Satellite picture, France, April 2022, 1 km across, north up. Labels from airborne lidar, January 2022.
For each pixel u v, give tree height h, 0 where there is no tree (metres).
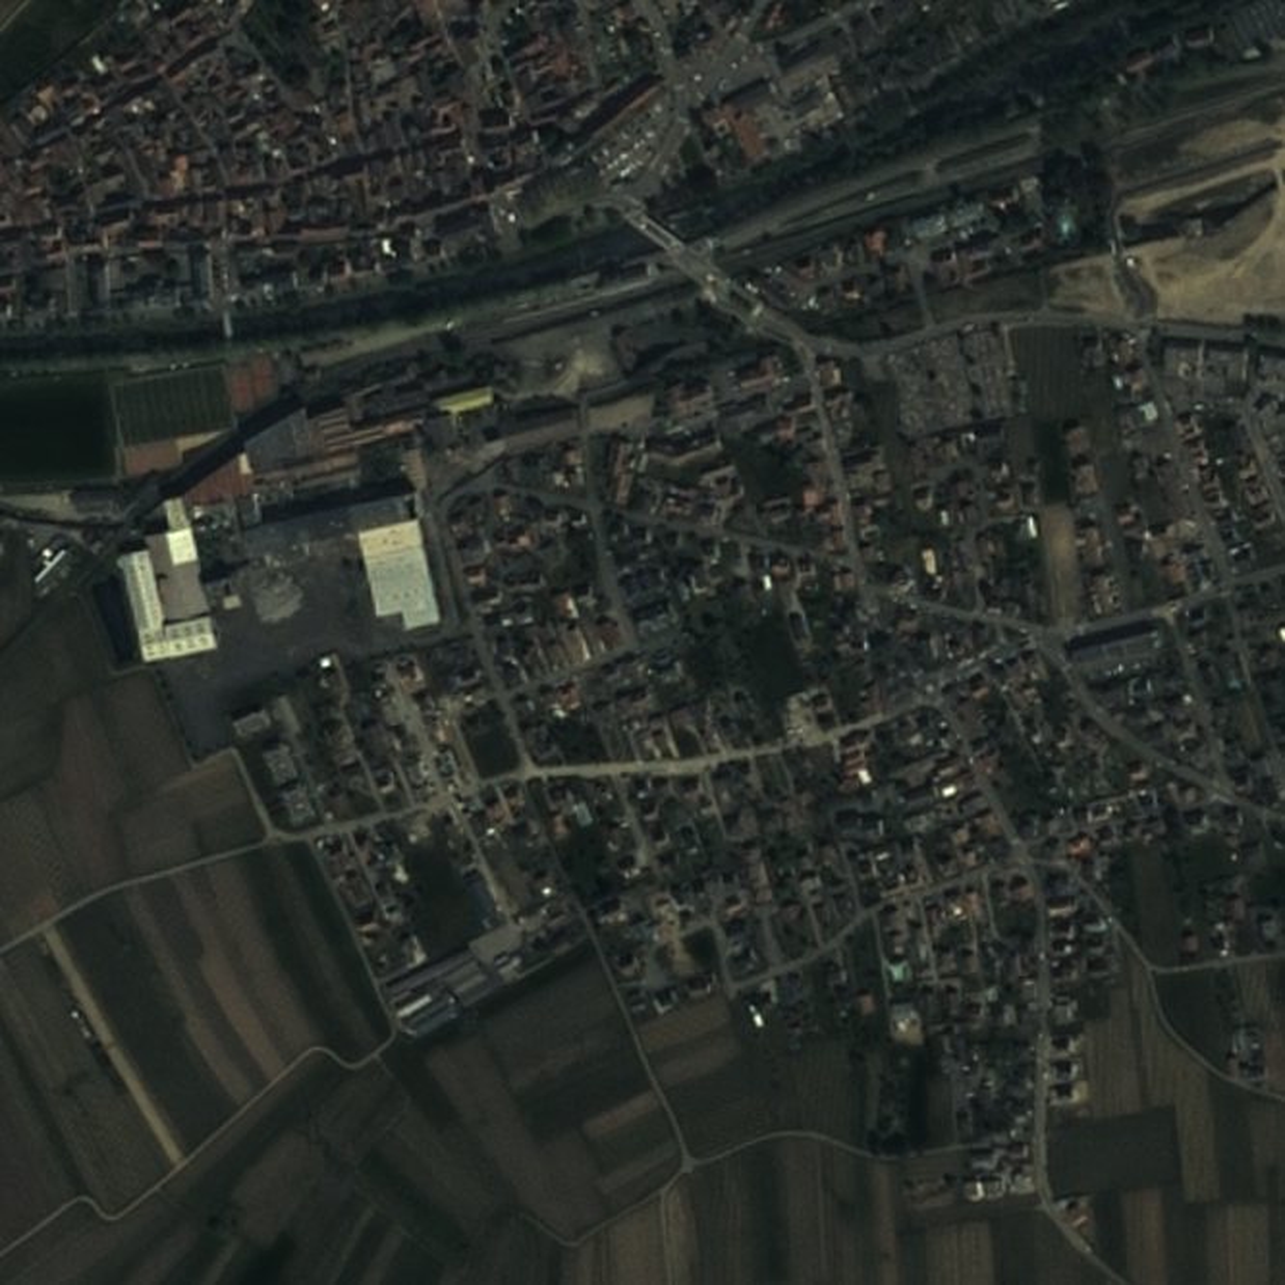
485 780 0
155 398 0
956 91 7
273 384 0
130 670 0
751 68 0
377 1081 0
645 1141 0
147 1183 0
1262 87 0
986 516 0
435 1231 0
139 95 0
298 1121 0
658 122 0
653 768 0
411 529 0
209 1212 0
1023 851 0
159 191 0
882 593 0
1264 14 0
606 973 0
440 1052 0
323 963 0
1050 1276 0
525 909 0
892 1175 0
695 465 0
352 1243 0
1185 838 16
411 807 0
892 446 0
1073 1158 0
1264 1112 0
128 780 0
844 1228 0
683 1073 0
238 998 0
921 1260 0
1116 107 0
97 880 0
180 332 0
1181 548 0
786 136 0
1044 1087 0
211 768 0
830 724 12
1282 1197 0
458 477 0
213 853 0
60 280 10
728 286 0
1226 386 0
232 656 0
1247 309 0
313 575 0
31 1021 0
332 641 0
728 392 0
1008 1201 0
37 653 0
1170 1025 0
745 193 0
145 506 0
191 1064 0
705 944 0
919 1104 0
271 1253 0
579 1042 0
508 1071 0
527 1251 0
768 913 0
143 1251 0
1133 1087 0
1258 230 0
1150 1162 0
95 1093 0
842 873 0
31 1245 0
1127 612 0
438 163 0
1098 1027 0
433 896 0
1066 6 0
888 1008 0
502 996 0
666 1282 0
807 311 0
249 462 0
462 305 13
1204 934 0
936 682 0
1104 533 0
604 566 0
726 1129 0
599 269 0
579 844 0
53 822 0
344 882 0
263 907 0
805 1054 0
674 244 0
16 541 0
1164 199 0
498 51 0
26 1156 0
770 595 0
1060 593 0
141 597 0
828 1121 0
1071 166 15
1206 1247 0
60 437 0
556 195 23
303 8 10
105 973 0
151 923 0
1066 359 0
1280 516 0
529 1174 0
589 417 0
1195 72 16
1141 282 0
